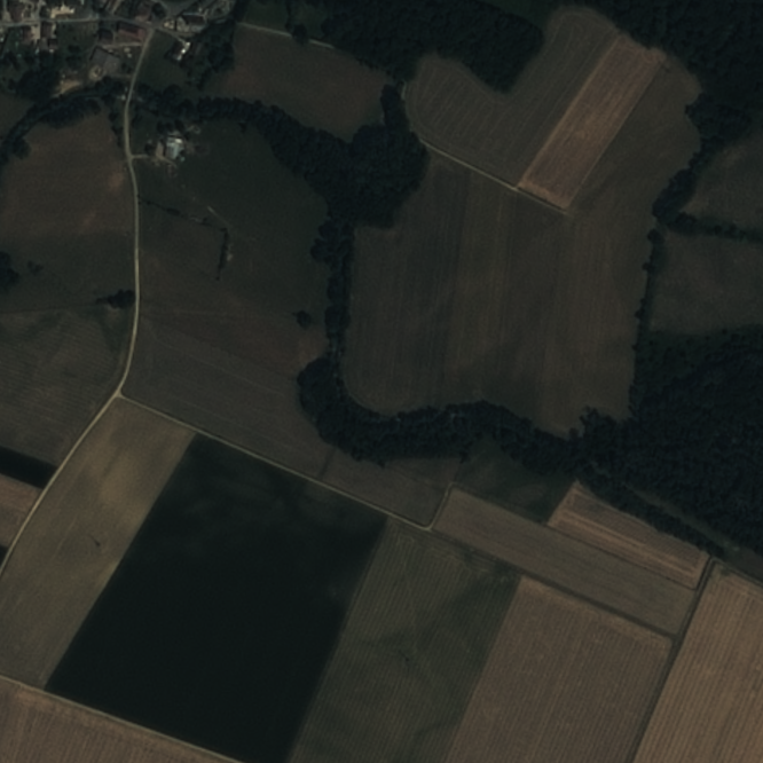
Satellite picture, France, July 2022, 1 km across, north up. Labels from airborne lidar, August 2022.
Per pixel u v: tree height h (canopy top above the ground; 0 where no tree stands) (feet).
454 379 0
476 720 0
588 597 0
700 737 0
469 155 0
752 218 0
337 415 68
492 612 0
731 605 0
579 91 0
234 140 0
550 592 0
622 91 0
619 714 0
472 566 0
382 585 0
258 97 0
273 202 0
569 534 0
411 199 0
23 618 0
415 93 0
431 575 0
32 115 36
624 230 0
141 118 25
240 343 0
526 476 0
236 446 0
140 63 0
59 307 0
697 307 0
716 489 67
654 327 0
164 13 49
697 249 0
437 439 60
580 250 0
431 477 0
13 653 0
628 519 0
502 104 0
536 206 0
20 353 0
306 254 0
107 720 0
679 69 0
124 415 0
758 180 0
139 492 0
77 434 0
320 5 104
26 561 0
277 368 0
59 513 0
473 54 70
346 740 0
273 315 0
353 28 70
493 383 0
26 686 0
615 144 0
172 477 0
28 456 0
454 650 0
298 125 43
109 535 0
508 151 0
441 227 0
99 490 0
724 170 0
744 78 79
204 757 0
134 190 0
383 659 0
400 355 0
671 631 0
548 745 0
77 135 0
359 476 0
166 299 0
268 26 0
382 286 0
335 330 42
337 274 55
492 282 0
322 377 77
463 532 0
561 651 0
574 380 0
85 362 0
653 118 0
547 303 0
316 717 0
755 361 66
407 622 0
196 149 0
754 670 0
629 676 0
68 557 0
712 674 0
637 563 0
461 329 0
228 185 0
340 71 0
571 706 0
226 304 0
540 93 0
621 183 0
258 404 0
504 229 0
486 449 0
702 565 0
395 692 0
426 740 0
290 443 0
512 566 0
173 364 0
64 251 0
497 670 0
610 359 0
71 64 19
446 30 78
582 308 0
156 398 0
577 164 0
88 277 0
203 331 0
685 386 86
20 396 0
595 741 0
